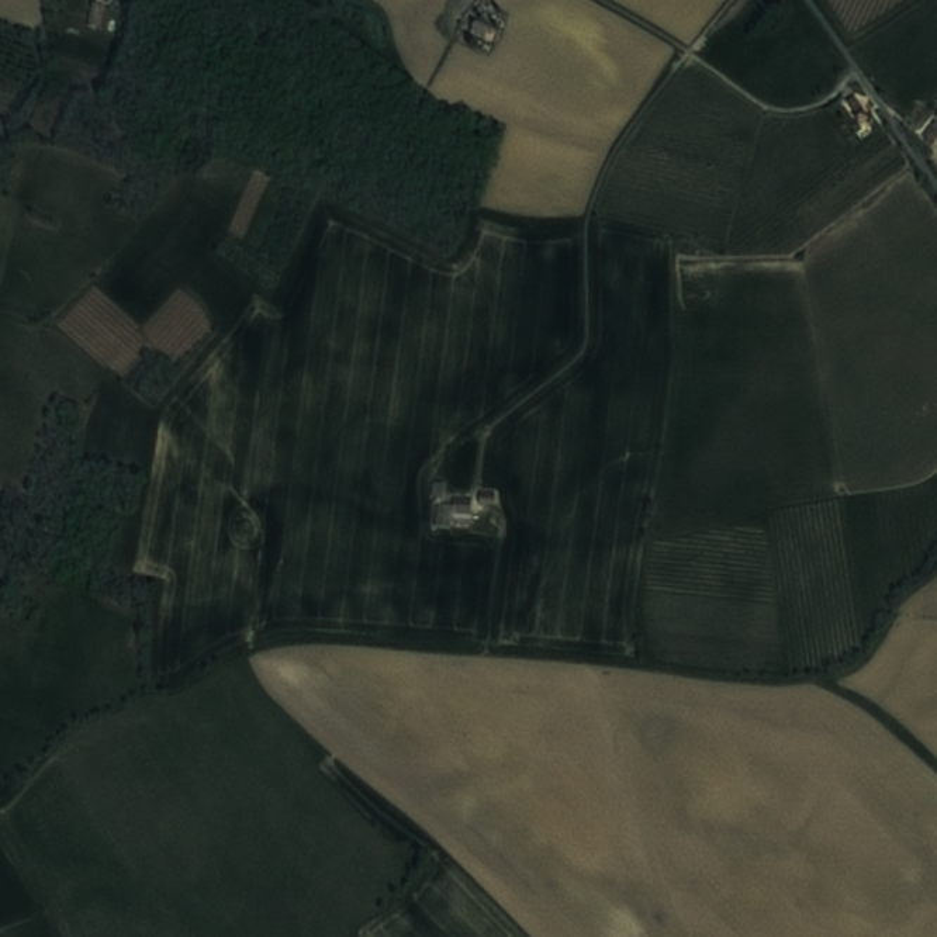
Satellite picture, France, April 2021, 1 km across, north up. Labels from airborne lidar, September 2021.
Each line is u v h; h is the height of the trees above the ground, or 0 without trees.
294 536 0
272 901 0
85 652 0
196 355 11
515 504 0
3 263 0
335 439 0
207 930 0
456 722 0
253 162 16
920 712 0
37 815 0
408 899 0
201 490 0
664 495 0
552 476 0
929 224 0
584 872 0
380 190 18
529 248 0
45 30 9
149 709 0
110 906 0
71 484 24
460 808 0
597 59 0
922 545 0
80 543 26
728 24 0
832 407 0
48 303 0
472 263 0
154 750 0
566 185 0
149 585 14
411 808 0
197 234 0
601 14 0
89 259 0
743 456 0
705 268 0
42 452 14
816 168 0
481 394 0
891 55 0
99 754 0
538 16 0
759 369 0
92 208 0
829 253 0
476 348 0
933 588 0
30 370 0
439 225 19
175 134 18
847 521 0
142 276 0
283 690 0
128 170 15
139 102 21
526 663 0
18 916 0
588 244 0
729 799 0
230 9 21
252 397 0
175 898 0
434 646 0
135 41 22
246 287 0
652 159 0
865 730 0
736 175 0
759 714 0
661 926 0
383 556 0
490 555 0
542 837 0
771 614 0
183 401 0
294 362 0
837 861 0
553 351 0
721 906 0
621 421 0
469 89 0
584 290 0
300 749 0
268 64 24
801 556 0
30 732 0
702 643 0
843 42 0
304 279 0
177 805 0
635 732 0
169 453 0
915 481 0
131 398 0
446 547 0
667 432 0
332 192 17
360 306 0
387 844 0
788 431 0
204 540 0
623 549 0
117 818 0
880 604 0
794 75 0
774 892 0
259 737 0
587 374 0
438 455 0
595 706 0
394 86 23
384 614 0
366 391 0
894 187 0
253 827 0
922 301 0
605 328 0
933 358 0
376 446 0
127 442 0
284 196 9
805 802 0
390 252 0
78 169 0
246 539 11
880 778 0
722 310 0
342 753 0
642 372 0
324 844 0
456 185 22
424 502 0
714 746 0
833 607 0
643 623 0
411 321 0
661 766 0
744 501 0
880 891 0
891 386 0
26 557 11
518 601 0
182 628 0
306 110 23
